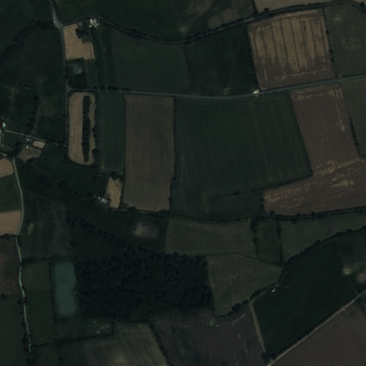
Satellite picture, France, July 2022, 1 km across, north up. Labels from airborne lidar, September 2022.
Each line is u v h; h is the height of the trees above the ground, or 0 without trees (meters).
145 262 17
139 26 0
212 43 0
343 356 0
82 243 0
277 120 0
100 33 0
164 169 0
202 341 0
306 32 0
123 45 0
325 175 0
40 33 0
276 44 0
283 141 0
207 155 0
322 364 0
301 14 0
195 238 0
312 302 0
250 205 0
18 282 0
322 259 0
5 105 0
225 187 0
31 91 0
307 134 0
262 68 0
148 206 0
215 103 0
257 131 0
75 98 0
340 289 0
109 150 0
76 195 10
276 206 0
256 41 0
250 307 0
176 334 0
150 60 0
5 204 0
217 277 0
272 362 0
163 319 0
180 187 0
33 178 0
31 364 15
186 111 0
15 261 0
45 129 0
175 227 0
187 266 12
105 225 0
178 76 0
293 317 0
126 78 0
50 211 0
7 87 0
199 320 0
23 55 0
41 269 0
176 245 0
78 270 26
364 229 12
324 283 0
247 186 0
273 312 0
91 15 0
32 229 0
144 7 0
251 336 0
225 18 0
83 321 0
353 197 0
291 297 0
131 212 16
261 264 0
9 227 0
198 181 0
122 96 0
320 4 6
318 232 0
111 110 0
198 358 0
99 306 31
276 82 0
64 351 0
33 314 0
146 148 0
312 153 0
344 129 0
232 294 0
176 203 0
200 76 0
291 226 0
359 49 0
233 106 0
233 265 0
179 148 0
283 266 9
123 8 0
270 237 0
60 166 0
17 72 0
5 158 0
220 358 0
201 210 0
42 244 0
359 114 0
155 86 0
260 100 0
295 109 0
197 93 0
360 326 0
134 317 0
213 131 0
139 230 0
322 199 0
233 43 0
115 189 0
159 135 0
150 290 0
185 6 0
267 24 0
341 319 0
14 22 0
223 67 0
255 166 0
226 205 0
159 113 0
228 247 0
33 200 0
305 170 0
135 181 0
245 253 0
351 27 0
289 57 0
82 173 0
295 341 6
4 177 0
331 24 0
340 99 0
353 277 0
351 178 0
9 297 0
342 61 0
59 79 0
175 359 0
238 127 0
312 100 0
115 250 0
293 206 0
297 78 0
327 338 0
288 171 0
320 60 0
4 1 0
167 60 0
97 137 11
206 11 0
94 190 0
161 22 0
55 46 0
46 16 0
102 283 0
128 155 0
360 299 6
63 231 0
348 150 0
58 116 0
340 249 0
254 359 0
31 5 0
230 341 0
